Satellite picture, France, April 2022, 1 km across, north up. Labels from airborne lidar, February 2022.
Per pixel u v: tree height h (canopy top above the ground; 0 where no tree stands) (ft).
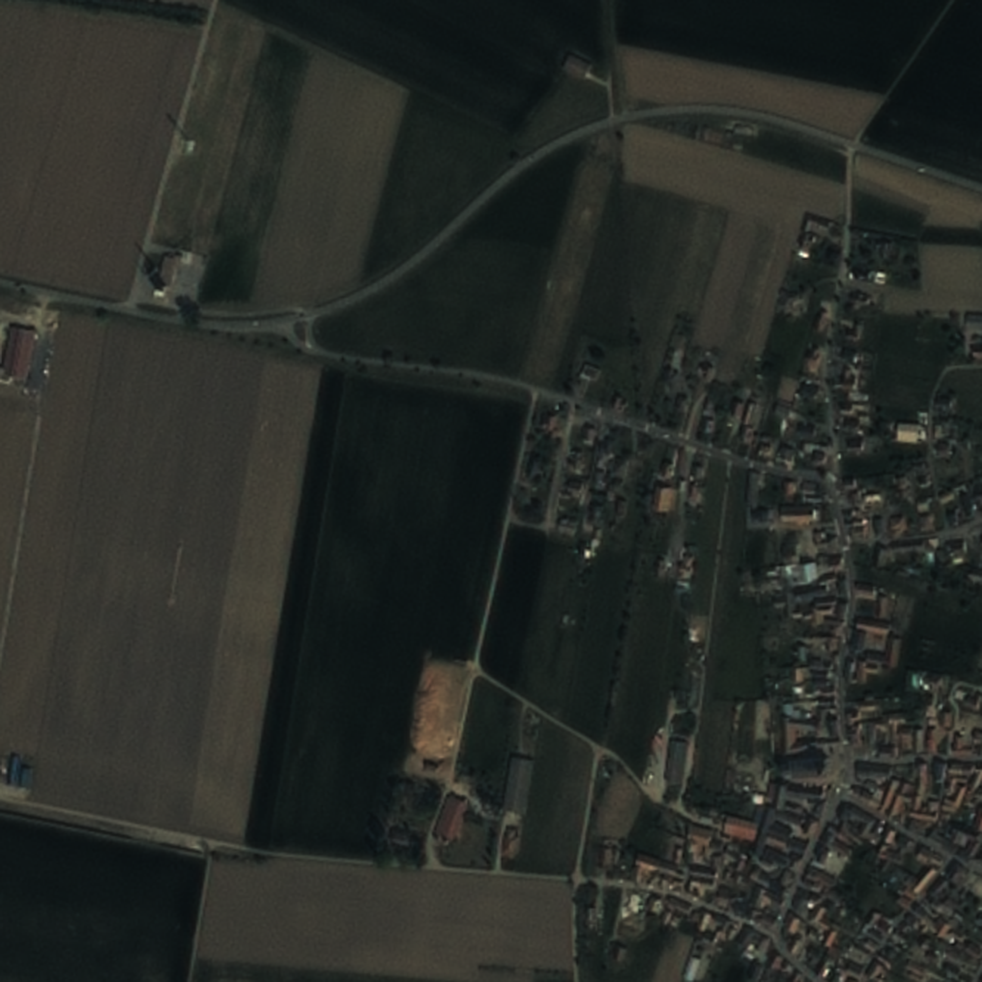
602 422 0
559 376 0
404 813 45
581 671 0
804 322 0
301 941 0
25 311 0
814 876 0
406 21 0
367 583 0
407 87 0
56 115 0
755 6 0
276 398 0
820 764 0
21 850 0
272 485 0
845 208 0
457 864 0
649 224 0
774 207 0
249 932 0
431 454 0
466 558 0
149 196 0
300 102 0
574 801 0
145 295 0
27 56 0
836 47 0
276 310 0
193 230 0
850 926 0
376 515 0
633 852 18
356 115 0
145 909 0
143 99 0
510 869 0
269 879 0
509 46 0
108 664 0
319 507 0
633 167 0
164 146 0
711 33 0
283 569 0
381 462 0
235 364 0
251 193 0
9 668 0
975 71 0
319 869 0
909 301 0
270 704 0
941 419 22
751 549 0
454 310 0
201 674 0
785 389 0
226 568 0
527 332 0
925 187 0
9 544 0
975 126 0
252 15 0
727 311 0
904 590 0
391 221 0
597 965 0
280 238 0
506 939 0
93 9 31
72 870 0
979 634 0
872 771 0
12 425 0
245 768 0
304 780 0
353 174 0
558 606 0
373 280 0
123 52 0
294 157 0
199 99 0
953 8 0
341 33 0
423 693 0
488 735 0
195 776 0
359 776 0
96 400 0
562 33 0
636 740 0
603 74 0
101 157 0
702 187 0
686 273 0
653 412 33
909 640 0
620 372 0
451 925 0
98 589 0
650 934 0
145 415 0
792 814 0
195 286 0
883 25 0
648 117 0
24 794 0
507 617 0
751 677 0
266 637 0
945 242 0
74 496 0
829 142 0
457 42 0
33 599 0
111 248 0
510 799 0
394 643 0
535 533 0
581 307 0
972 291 0
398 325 0
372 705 0
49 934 0
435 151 0
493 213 0
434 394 0
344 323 0
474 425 0
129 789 0
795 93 0
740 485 0
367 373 26
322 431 0
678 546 0
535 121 0
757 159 0
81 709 0
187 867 0
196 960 0
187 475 0
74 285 0
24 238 0
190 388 0
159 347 0
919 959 0
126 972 0
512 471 0
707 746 0
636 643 0
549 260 0
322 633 0
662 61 0
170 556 0
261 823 0
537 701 0
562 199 0
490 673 0
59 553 0
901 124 0
